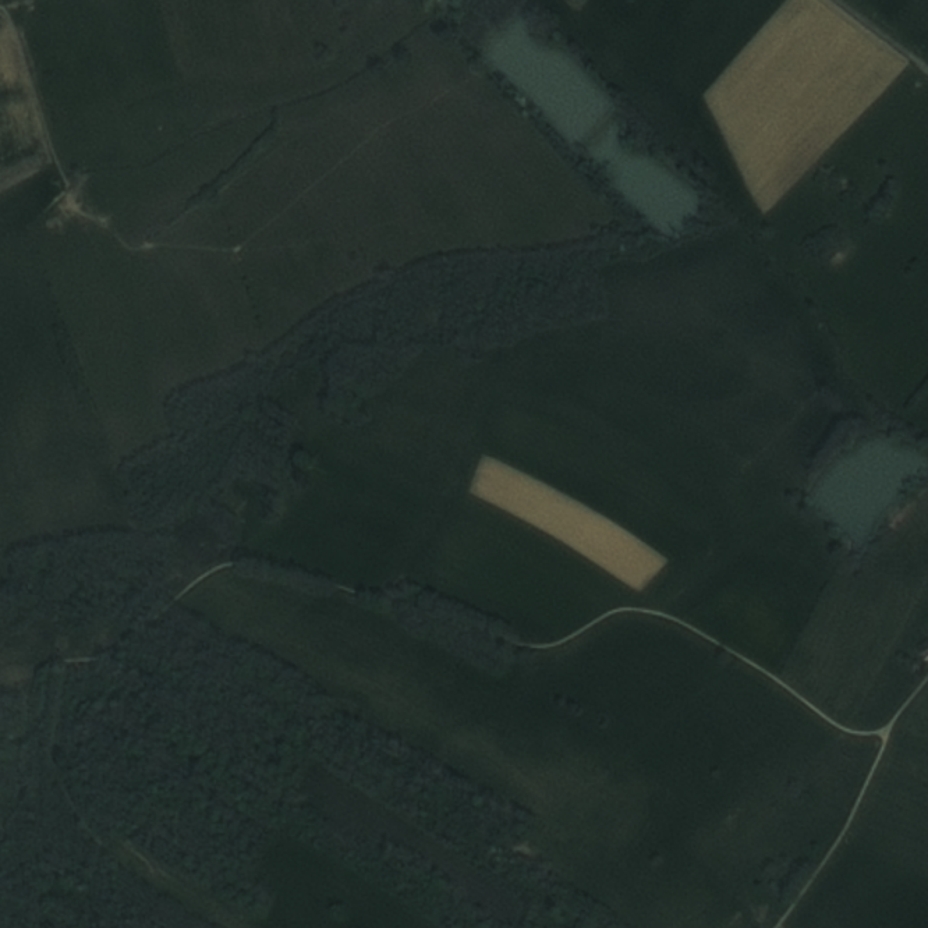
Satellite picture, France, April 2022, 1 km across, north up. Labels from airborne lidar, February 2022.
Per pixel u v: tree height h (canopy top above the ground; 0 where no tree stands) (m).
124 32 0
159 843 17
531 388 0
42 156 0
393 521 0
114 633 0
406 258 0
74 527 0
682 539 0
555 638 0
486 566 0
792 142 0
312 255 0
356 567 0
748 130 0
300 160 0
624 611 0
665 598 0
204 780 20
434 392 0
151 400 0
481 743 0
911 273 8
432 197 0
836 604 0
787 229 0
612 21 0
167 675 17
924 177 0
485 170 0
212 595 0
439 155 0
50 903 27
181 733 21
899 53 0
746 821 0
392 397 0
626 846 0
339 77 0
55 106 0
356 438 0
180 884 0
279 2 0
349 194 0
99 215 0
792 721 0
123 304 0
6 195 0
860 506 0
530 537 0
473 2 21
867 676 0
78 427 0
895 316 0
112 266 0
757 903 0
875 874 0
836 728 0
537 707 0
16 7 0
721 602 0
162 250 0
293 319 0
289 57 0
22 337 0
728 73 0
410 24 0
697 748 0
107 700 15
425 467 0
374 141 0
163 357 0
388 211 0
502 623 20
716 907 0
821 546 0
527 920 10
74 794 17
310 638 0
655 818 0
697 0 0
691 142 0
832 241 7
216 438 11
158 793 19
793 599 0
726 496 0
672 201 0
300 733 29
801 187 0
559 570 0
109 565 25
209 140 0
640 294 0
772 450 0
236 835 12
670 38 0
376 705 0
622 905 0
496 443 0
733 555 0
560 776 0
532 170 0
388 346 26
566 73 0
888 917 0
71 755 7
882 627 0
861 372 0
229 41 0
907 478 0
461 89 0
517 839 21
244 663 23
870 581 0
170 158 0
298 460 20
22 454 0
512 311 20
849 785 0
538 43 11
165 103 0
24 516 0
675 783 0
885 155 0
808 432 0
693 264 0
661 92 0
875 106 0
